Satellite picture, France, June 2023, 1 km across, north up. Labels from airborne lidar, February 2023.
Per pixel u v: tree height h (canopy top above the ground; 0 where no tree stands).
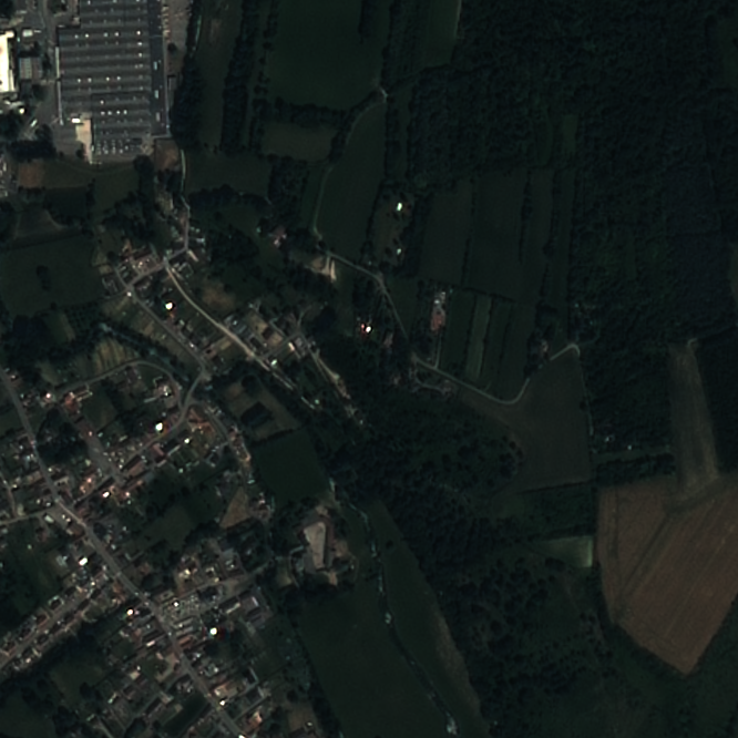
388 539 0
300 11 0
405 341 17
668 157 22
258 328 0
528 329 0
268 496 6
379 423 9
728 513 0
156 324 0
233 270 0
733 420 12
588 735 0
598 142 16
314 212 0
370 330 6
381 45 0
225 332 0
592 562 0
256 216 0
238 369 11
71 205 0
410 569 0
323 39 0
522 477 0
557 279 0
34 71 0
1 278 0
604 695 0
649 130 21
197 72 18
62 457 17
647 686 0
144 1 0
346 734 0
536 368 10
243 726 0
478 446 14
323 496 0
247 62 15
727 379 11
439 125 12
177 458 0
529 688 16
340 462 22
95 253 0
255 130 11
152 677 0
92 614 0
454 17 0
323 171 0
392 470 22
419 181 13
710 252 17
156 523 0
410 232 11
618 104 13
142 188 8
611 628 11
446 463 12
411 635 0
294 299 0
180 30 0
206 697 0
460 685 0
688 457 0
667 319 9
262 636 0
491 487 8
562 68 10
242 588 0
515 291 0
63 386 6
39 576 0
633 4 8
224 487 0
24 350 19
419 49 8
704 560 0
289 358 0
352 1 0
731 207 14
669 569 0
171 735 0
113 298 0
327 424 21
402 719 0
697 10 23
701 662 5
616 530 0
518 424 0
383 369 11
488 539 12
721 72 26
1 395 0
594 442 7
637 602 0
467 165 8
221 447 0
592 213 14
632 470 7
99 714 7
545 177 0
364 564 0
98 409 0
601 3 6
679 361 0
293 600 18
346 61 0
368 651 0
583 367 6
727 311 9
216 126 0
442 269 0
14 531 0
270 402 0
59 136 0
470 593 20
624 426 12
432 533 14
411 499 13
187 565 0
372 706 0
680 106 18
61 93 0
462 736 0
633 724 0
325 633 0
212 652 15
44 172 0
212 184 0
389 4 0
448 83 14
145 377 0
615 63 15
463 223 0
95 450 0
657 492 0
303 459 0
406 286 0
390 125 11
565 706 0
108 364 0
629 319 9
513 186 0
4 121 16
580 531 9
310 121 13
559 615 0
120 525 0
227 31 0
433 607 0
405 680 0
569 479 0
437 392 8
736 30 0
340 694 0
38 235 0
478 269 0
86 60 0
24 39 0
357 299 15
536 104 6
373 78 0
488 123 11
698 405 0
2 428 0
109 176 0
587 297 11
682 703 7
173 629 0
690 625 0
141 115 0
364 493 28
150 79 0
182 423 0
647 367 13
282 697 0
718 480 0
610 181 13
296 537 0
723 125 22
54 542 0
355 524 0
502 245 0
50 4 0
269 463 0
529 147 9
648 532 0
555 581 8
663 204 12
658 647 0
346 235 0
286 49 0
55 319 0
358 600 0
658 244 13
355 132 0
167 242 0
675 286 14
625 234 6
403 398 6
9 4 18
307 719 0
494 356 0
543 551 0
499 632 16
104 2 0
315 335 10
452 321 0
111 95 0
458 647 7
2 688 10
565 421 0
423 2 7
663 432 10
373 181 0
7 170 0
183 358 0
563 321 0
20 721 0
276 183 14
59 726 16
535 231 0
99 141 0
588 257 9
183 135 22
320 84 0
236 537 15
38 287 0
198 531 9
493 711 12
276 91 0
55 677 0
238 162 0
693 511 0
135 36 0
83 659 0
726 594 0
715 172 16
